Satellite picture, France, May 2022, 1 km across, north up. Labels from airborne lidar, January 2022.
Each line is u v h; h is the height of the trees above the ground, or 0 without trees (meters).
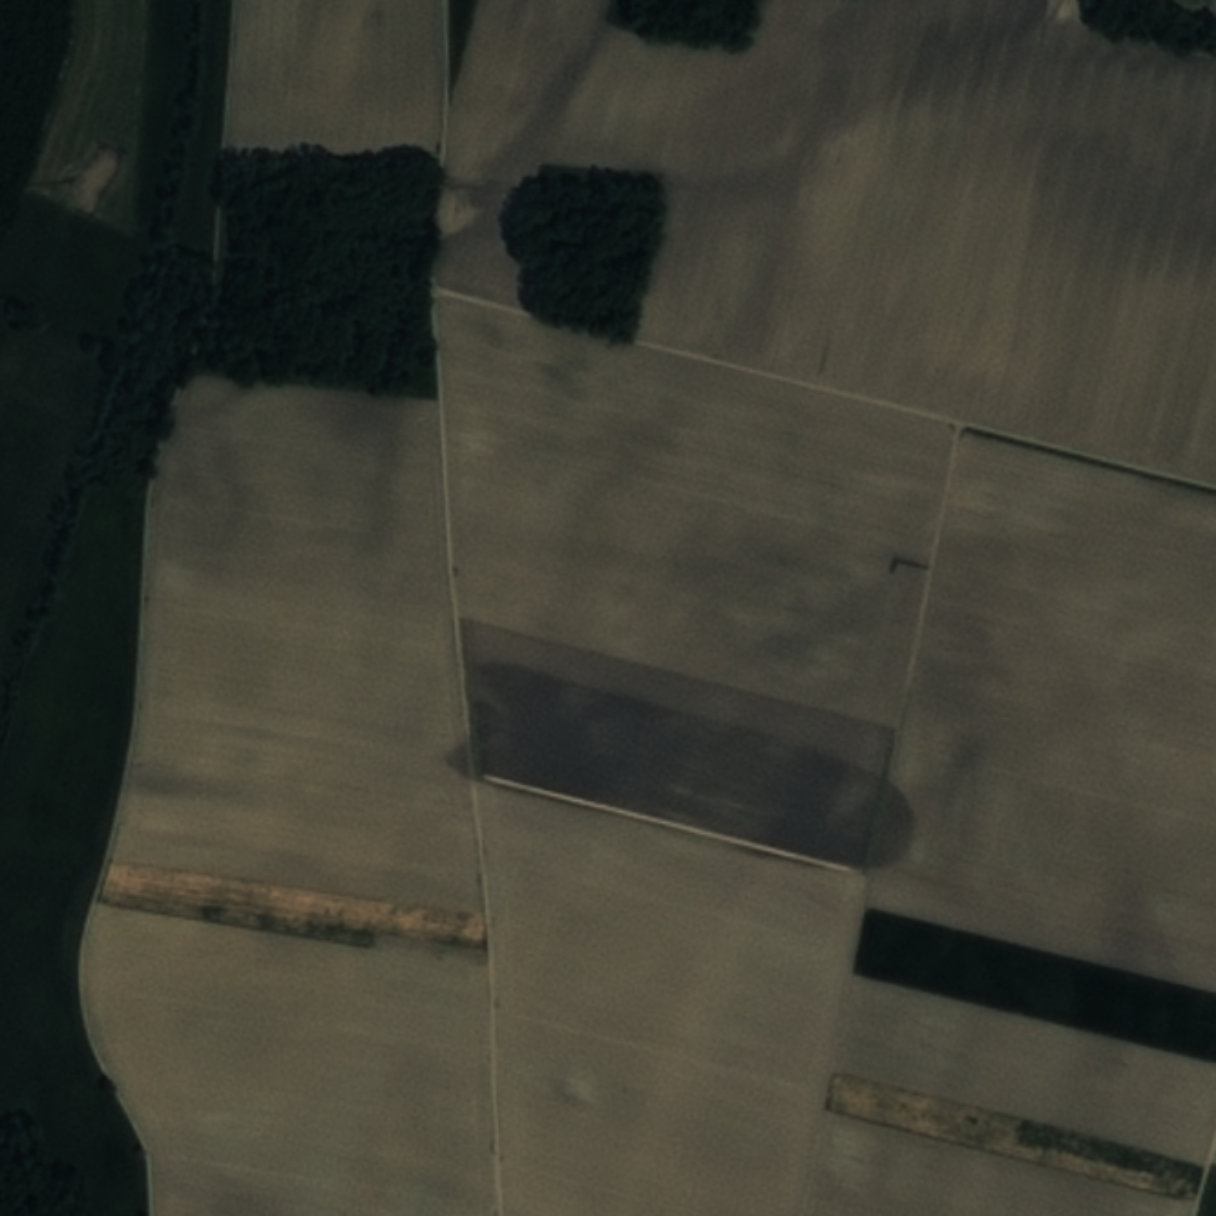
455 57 0
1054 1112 0
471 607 0
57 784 0
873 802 0
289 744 0
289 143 0
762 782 0
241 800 0
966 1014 0
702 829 0
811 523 0
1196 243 0
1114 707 0
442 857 0
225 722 0
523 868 0
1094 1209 0
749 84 0
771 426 0
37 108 16
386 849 0
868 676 0
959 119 0
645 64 0
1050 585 0
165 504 0
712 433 0
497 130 0
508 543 0
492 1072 0
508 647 0
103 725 0
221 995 0
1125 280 0
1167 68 0
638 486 0
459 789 0
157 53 0
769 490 0
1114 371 0
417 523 0
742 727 0
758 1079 0
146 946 0
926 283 0
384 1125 0
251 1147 0
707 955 0
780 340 0
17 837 0
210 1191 0
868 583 0
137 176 0
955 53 0
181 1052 0
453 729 0
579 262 25
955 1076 0
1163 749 0
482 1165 0
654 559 0
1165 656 0
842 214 0
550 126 0
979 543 0
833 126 0
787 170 0
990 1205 0
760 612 0
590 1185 0
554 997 0
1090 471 0
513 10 0
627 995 0
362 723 0
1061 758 0
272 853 0
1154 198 0
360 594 0
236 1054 0
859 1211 0
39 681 0
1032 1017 0
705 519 0
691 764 0
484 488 0
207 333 20
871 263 0
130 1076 0
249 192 16
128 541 0
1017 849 0
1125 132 0
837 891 0
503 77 0
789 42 0
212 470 0
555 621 0
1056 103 0
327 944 0
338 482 0
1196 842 0
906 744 0
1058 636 0
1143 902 0
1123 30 15
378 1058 0
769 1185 0
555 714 0
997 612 0
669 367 0
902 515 0
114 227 0
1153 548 0
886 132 0
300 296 27
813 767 0
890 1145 0
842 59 0
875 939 0
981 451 0
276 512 0
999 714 0
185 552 0
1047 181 0
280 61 0
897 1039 0
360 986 0
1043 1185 0
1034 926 0
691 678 0
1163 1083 0
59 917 0
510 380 0
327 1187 0
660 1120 0
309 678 0
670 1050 0
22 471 0
